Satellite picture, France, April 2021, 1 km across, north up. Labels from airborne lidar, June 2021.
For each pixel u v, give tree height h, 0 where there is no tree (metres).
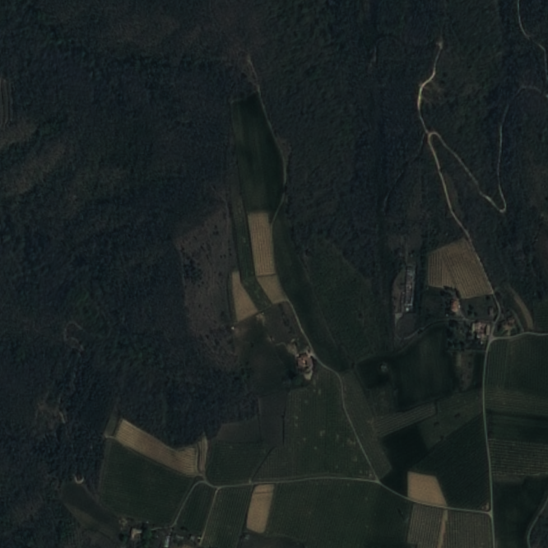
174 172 10
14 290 12
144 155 8
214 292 0
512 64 8
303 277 0
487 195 14
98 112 14
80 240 15
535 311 9
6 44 13
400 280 0
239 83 12
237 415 8
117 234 15
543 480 0
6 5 15
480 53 14
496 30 15
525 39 8
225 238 0
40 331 7
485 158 15
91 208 14
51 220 16
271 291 0
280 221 0
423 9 18
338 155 14
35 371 11
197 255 8
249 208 0
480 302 0
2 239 25
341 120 9
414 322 0
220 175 11
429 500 0
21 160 7
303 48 12
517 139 10
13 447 14
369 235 24
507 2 8
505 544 0
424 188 6
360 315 7
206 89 13
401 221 9
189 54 14
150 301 11
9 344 11
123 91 15
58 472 9
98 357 13
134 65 21
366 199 14
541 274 7
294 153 9
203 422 9
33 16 22
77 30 7
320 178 13
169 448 0
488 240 10
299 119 13
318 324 0
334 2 14
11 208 21
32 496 10
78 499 0
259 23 12
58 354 12
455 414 0
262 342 0
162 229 10
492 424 0
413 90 7
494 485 0
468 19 18
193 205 8
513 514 0
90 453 10
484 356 0
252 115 0
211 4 9
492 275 8
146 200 16
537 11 12
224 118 11
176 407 18
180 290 13
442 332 0
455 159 12
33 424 9
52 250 23
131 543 14
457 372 0
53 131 11
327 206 6
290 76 19
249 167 0
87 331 12
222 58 16
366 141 13
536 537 13
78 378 7
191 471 0
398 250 8
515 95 12
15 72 12
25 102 12
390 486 0
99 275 16
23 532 14
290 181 12
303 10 20
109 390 12
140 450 0
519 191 9
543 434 0
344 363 0
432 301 0
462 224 11
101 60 19
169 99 17
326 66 8
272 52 13
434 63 11
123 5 9
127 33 8
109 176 8
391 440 0
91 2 11
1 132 6
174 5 11
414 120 14
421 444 0
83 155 9
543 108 16
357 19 11
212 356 10
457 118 17
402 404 0
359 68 8
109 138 10
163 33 9
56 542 8
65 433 8
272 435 0
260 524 0
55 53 16
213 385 24
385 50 9
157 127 13
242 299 0
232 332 12
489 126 22
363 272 13
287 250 0
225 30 7
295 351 0
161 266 17
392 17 21
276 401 0
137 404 17
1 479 7
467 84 12
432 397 0
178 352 14
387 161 13
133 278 17
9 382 8
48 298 16
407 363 0
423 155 11
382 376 0
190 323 6
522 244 20
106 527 0
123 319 13
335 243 12
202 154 11
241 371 10
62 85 10
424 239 8
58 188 12
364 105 18
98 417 11
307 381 0
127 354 23
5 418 10
